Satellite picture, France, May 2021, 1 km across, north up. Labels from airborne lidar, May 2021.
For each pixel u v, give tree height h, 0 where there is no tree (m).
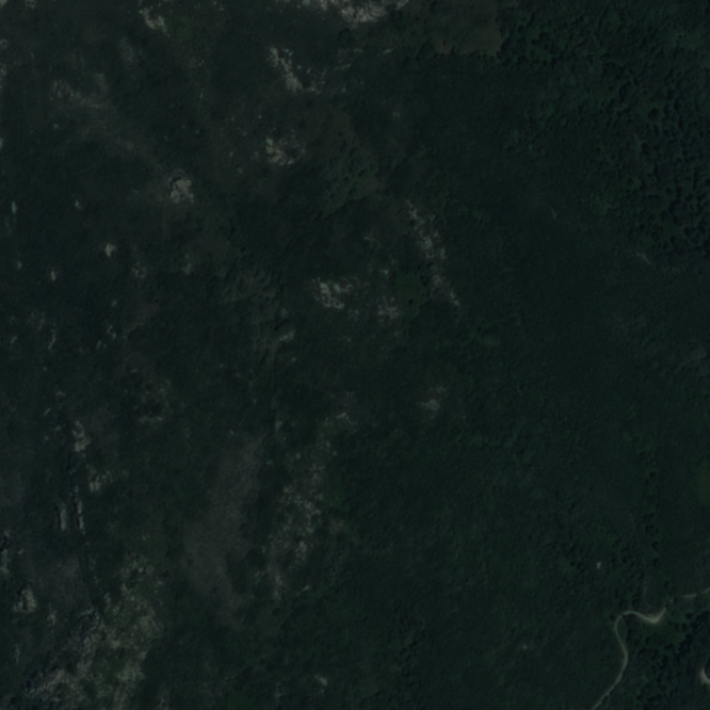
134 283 6
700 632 22
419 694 10
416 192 6
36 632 5
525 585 16
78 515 10
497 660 6
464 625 7
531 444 8
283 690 13
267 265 6
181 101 6
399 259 7
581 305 9
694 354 19
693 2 13
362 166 21
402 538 6
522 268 9
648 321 6
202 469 6
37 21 6
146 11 0
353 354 6
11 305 7
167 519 6
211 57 7
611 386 6
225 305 10
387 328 6
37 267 6
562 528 16
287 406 6
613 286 7
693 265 15
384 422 6
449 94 7
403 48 7
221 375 5
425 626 8
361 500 8
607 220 9
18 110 6
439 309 10
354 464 9
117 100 6
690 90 18
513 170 6
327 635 7
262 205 6
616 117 12
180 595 8
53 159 7
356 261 7
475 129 9
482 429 9
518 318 6
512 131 10
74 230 6
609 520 6
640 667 8
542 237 6
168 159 7
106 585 6
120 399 6
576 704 8
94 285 7
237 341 7
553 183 8
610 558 10
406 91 6
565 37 10
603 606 12
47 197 6
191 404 6
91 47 5
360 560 6
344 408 8
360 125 6
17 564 6
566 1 9
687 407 7
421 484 6
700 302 9
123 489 7
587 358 7
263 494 5
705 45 18
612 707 12
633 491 8
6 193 6
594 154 11
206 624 7
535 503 8
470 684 6
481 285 8
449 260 8
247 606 6
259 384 6
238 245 6
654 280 7
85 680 6
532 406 9
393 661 7
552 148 10
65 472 7
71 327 7
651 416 8
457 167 8
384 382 6
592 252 8
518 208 8
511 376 10
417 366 8
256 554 6
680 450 8
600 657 6
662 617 0
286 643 6
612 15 22
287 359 6
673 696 12
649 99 9
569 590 9
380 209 7
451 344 6
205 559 0
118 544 6
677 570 6
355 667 6
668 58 17
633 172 20
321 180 9
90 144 6
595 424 7
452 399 6
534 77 12
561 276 8
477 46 0
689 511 7
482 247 8
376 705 9
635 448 7
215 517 0
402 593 7
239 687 6
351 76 6
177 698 7
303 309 8
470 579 16
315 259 6
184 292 7
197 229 6
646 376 8
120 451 7
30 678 6
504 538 8
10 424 7
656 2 11
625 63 8
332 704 9
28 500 6
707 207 21
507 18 9
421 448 7
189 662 6
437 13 18
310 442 8
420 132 8
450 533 11
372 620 8
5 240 7
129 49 0
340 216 8
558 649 6
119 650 16
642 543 6
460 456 7
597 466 6
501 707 6
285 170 7
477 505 11
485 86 8
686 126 22
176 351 7
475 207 7
